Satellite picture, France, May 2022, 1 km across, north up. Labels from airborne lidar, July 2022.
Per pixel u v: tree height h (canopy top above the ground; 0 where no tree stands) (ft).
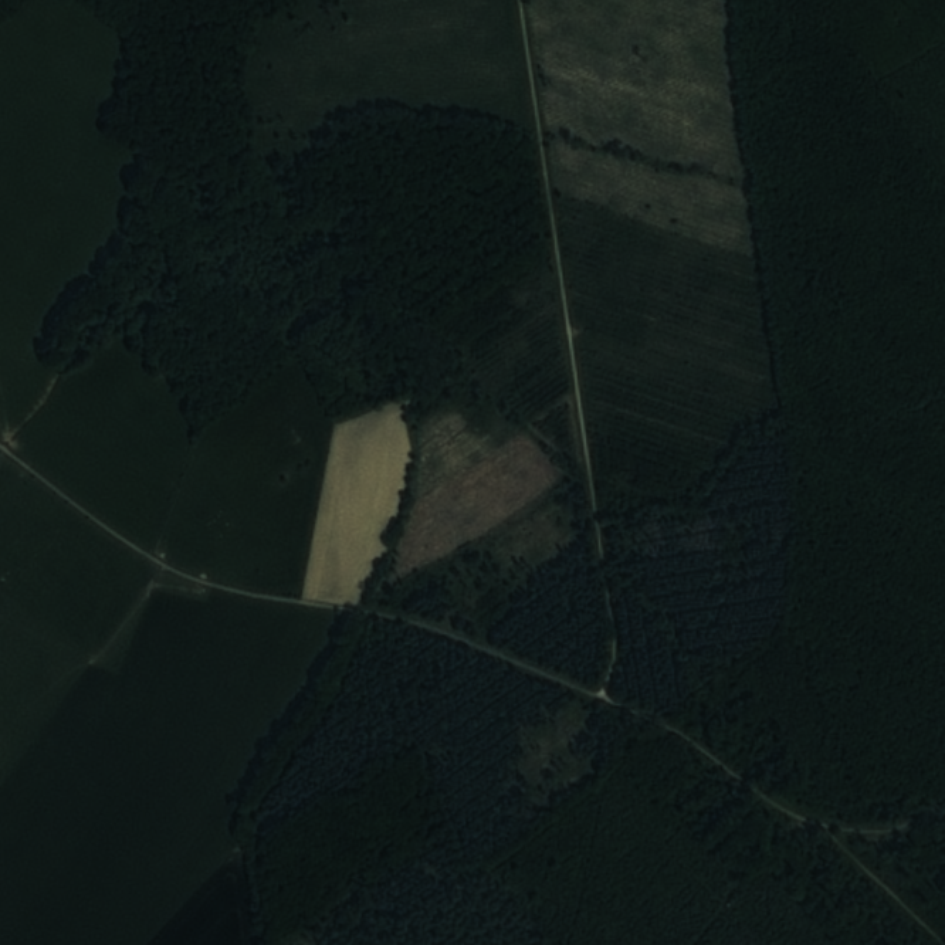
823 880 95
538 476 0
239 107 64
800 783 104
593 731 69
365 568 0
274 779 64
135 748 0
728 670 62
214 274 85
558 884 25
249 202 73
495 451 0
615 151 69
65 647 0
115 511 0
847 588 66
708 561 62
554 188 0
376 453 0
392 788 77
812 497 57
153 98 81
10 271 0
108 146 0
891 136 56
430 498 0
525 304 0
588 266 19
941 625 58
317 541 0
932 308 52
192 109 74
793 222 47
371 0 0
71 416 0
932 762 61
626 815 26
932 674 56
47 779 0
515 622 59
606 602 38
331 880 75
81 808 0
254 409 0
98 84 0
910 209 49
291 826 78
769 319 62
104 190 0
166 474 0
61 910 0
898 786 63
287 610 0
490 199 72
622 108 0
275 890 80
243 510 0
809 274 71
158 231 61
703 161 0
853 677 62
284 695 0
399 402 38
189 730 0
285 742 76
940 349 55
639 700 49
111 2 72
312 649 0
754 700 88
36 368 0
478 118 64
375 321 92
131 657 0
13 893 0
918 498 56
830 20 61
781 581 68
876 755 60
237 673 0
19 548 0
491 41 0
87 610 0
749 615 66
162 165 58
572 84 0
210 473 0
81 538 0
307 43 0
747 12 70
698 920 26
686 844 22
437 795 75
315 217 91
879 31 17
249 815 27
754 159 60
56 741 0
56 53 0
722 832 96
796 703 44
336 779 75
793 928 19
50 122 0
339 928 62
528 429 50
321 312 90
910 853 97
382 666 67
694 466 21
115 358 0
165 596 0
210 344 89
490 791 54
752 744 46
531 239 70
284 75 0
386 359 80
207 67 67
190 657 0
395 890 68
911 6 18
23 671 0
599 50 0
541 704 59
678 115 0
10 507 0
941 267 53
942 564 53
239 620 0
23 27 0
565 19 0
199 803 0
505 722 67
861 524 56
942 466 57
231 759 0
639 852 24
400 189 78
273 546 0
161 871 0
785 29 72
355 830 77
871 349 67
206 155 75
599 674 87
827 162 58
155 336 99
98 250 0
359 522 0
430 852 72
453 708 52
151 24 73
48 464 0
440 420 0
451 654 69
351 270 77
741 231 0
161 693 0
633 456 27
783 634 48
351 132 67
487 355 27
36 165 0
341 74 0
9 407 0
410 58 0
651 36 0
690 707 47
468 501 0
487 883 85
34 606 0
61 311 66
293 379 0
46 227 0
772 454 69
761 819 94
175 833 0
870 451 52
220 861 0
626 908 20
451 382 100
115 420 0
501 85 0
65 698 0
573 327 0
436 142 72
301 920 68
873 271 53
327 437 0
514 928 94
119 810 0
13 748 0
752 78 63
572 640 70
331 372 79
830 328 67
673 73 0
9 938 0
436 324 74
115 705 0
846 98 64
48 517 0
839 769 54
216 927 0
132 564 0
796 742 55
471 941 100
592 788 58
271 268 82
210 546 0
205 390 78
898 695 64
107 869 0
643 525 59
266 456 0
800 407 56
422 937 101
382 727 68
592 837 18
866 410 54
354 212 80
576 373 0
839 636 56
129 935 0
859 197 60
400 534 42
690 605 63
